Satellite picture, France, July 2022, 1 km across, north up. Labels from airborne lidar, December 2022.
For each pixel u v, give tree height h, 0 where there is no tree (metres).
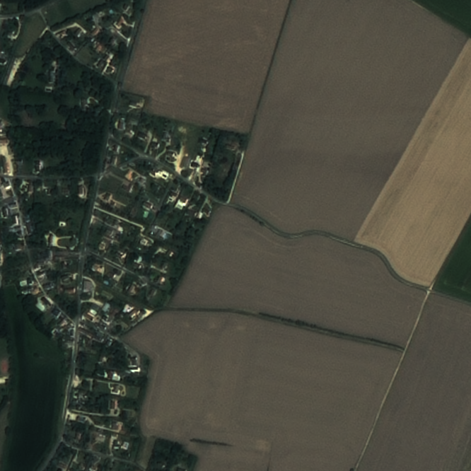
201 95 0
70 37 8
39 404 0
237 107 0
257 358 0
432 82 0
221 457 0
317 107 0
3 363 0
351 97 0
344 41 0
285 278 0
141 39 0
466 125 0
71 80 0
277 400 0
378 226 0
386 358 0
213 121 0
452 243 0
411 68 0
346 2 0
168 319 0
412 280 0
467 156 0
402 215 0
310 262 0
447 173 0
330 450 0
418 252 0
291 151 0
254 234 0
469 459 0
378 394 0
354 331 0
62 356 0
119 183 0
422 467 0
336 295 0
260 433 0
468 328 0
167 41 0
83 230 8
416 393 0
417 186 0
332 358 0
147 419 0
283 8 0
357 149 0
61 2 0
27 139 16
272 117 0
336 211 0
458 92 0
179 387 0
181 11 0
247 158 0
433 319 0
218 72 0
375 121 0
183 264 9
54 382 0
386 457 0
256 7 0
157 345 0
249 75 0
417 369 0
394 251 0
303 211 0
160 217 18
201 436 0
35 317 12
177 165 0
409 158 0
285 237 0
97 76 12
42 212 14
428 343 0
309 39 0
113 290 0
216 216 0
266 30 0
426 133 0
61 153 21
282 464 0
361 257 0
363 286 0
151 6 0
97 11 11
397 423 0
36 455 0
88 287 0
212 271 0
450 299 0
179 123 0
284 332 0
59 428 0
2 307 24
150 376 0
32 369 0
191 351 0
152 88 0
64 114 16
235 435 0
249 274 0
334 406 0
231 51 0
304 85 0
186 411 0
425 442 0
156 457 16
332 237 0
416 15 0
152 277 8
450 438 0
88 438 6
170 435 0
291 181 0
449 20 0
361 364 0
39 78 13
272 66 0
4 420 0
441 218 0
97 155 13
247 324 0
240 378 0
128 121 9
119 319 12
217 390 0
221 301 0
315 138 0
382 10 0
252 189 0
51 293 12
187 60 0
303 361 0
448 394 0
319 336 0
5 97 0
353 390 0
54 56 11
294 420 0
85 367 10
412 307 0
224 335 0
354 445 0
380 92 0
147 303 10
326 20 0
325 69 0
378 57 0
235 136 11
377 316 0
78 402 0
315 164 0
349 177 0
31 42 0
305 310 0
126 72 0
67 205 6
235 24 0
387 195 0
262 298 0
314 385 0
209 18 0
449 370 0
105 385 0
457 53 0
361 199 0
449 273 0
